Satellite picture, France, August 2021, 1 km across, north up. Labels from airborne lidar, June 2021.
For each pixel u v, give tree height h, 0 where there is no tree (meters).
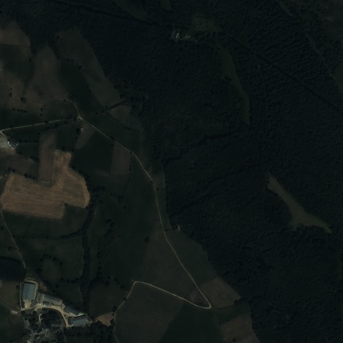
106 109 6
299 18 13
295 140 23
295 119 18
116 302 0
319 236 18
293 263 30
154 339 0
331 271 18
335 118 19
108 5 24
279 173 25
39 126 0
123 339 0
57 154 0
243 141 24
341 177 25
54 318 13
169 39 10
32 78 0
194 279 0
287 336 21
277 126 17
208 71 22
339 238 19
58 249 0
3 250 0
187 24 12
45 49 0
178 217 15
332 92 13
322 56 8
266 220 19
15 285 0
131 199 0
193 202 11
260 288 20
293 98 18
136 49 26
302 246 26
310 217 0
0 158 0
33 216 0
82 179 0
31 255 0
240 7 22
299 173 27
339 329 28
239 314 0
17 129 0
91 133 0
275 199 22
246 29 21
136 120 0
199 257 0
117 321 0
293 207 0
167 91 19
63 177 0
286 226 25
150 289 0
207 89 29
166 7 0
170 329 0
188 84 18
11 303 0
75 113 0
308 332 18
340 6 0
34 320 9
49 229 0
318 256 20
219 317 0
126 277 0
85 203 0
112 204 0
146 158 0
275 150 15
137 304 0
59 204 0
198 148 25
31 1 18
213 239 23
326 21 10
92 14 19
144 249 0
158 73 18
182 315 0
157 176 0
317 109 19
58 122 0
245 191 21
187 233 15
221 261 27
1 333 0
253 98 22
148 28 23
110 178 0
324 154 21
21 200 0
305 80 19
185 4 23
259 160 14
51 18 19
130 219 0
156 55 20
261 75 26
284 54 24
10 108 0
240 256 23
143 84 16
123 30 32
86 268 17
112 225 11
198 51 21
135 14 0
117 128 0
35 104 0
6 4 16
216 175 12
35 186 0
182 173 16
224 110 24
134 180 0
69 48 0
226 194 23
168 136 6
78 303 0
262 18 29
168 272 0
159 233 0
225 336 0
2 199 0
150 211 0
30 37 6
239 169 20
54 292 11
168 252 0
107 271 0
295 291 26
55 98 0
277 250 27
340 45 14
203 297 0
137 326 0
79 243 0
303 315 29
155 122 18
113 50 23
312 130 21
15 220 0
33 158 12
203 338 0
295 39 18
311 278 21
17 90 0
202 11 22
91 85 0
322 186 29
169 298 0
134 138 0
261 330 24
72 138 0
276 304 27
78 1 20
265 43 25
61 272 0
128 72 20
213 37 15
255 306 20
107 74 19
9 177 0
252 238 23
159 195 0
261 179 26
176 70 15
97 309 0
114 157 0
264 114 24
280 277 20
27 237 0
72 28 11
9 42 0
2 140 0
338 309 7
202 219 29
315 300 26
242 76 23
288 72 23
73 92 0
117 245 0
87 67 0
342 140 20
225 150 24
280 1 17
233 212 16
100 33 22
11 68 0
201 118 28
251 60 31
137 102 14
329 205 22
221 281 0
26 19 15
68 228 0
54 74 0
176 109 20
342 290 6
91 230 0
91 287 16
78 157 0
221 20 24
